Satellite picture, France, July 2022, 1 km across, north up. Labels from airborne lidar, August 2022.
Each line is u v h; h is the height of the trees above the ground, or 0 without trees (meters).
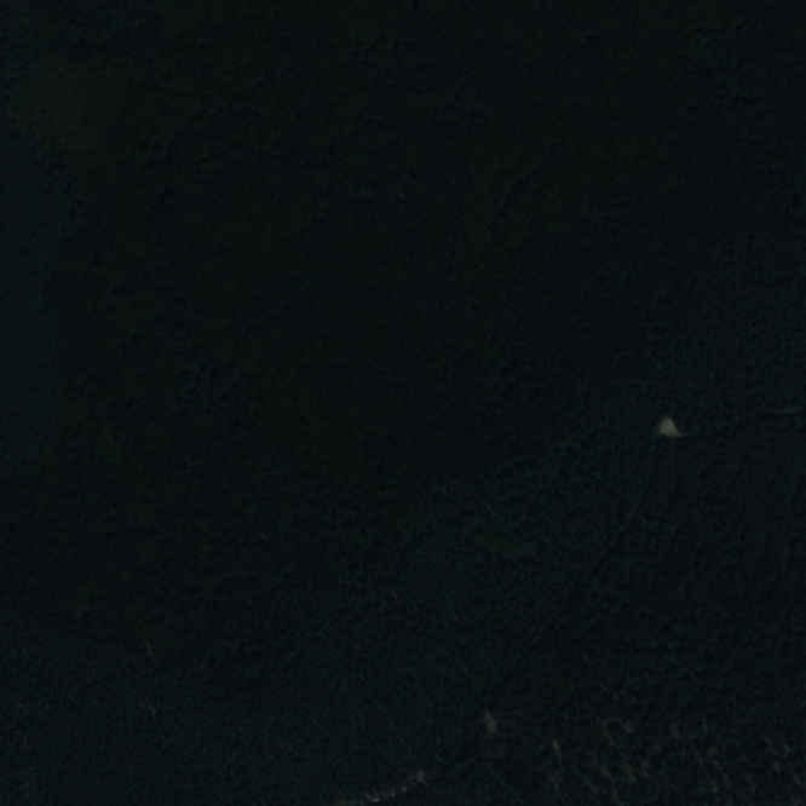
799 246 20
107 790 24
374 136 21
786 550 15
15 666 28
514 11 30
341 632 22
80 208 12
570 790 27
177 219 22
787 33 23
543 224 24
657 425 7
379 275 24
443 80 25
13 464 12
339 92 21
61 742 27
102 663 24
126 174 13
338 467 10
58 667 29
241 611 23
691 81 22
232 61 8
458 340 24
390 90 21
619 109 25
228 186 25
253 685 24
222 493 27
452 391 25
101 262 26
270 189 27
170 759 24
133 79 13
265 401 19
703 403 19
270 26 20
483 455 20
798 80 23
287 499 22
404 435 23
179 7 9
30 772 25
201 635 21
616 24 25
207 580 14
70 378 13
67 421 7
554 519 8
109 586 24
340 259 23
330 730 29
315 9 21
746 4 31
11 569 16
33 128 6
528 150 31
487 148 23
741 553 19
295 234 23
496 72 23
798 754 21
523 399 22
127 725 28
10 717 25
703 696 17
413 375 22
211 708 29
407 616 16
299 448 13
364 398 22
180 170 22
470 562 26
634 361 25
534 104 25
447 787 26
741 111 24
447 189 21
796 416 9
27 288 14
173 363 28
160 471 25
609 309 23
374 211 20
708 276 17
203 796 23
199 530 27
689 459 23
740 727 26
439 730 24
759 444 19
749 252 17
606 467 24
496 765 25
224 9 9
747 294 24
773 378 24
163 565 18
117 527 22
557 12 32
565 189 22
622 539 15
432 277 22
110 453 23
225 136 23
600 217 23
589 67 26
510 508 25
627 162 23
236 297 25
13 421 16
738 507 20
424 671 25
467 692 19
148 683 25
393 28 20
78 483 11
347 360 26
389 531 7
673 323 21
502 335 18
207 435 27
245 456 28
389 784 27
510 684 16
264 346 21
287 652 20
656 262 18
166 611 24
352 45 13
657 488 19
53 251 17
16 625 25
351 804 0
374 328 22
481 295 22
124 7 14
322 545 23
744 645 23
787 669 21
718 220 21
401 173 23
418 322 26
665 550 21
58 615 22
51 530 23
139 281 28
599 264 25
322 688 24
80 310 20
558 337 18
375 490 11
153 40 9
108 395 23
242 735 29
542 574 23
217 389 22
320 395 23
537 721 14
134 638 18
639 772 10
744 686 22
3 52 7
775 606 21
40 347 12
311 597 27
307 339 23
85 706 27
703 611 18
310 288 23
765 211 19
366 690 28
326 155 18
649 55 22
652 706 16
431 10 26
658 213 20
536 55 27
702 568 19
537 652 20
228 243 28
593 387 21
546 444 21
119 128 11
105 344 24
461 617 21
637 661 23
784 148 25
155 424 26
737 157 21
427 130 23
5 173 19
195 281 24
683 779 22
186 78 8
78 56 14
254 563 18
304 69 21
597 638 26
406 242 24
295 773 27
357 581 7
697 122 21
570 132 27
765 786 23
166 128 8
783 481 23
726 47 27
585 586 21
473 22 25
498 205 16
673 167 24
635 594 20
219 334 29
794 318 23
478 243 22
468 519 6
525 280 22
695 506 23
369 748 26
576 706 7
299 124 22
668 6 25
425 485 23
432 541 22
